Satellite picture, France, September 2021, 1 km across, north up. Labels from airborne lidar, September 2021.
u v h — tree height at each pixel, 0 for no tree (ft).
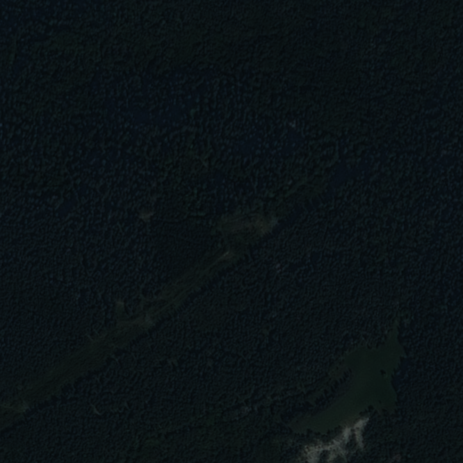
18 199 106
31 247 109
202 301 59
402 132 84
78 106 106
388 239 75
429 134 70
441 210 84
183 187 32
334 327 62
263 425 30
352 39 76
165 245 60
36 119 80
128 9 92
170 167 53
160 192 52
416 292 81
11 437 85
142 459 73
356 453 34
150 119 91
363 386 0
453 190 90
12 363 96
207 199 36
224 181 81
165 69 88
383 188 84
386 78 104
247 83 108
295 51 100
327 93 90
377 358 0
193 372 83
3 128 101
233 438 73
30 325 105
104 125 85
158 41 81
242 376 83
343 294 86
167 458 76
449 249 89
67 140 122
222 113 104
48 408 85
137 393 87
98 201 89
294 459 31
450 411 71
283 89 104
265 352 78
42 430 79
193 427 46
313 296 76
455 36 56
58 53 62
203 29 92
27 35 78
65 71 71
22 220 81
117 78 86
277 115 103
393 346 0
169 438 69
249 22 78
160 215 53
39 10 47
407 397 73
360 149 100
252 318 102
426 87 96
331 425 0
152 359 80
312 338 94
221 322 85
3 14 111
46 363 68
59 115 81
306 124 83
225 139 77
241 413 84
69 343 71
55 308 75
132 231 93
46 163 64
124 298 93
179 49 90
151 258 112
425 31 102
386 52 81
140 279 86
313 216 109
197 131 101
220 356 81
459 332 37
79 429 89
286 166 95
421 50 95
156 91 110
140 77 87
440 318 47
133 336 26
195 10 86
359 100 89
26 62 80
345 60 82
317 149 99
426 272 95
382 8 95
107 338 19
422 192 96
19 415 24
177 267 58
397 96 87
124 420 50
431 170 94
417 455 96
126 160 23
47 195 68
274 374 79
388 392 0
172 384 84
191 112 111
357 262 94
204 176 24
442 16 103
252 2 101
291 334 81
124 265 109
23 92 87
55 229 111
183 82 126
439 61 77
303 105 98
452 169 99
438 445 103
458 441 100
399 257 62
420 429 107
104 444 104
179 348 83
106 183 99
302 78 80
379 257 67
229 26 98
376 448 83
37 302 77
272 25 89
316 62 96
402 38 88
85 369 23
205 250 62
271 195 86
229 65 103
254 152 67
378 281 73
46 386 24
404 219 69
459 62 106
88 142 98
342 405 0
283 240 87
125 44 84
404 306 56
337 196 67
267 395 88
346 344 92
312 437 50
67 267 110
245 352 79
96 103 104
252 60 98
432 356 73
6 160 55
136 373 70
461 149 111
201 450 57
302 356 81
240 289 84
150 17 90
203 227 58
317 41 97
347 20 107
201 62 100
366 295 84
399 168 96
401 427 109
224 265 28
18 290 89
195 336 86
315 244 95
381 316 88
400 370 26
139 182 95
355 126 103
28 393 18
